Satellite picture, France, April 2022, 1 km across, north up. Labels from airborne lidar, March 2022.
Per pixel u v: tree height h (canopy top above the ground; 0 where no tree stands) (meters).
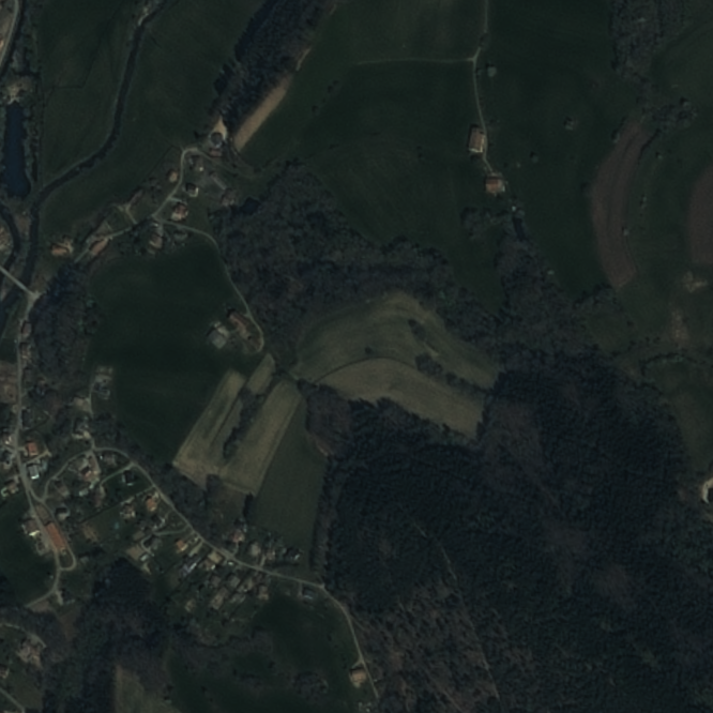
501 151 0
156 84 0
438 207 0
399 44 0
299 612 0
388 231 0
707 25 0
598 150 0
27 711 0
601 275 0
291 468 0
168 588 0
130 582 24
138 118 0
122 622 30
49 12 0
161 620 22
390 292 22
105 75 0
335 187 0
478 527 15
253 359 0
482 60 0
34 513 0
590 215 0
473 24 0
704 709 14
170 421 0
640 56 22
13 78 13
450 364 0
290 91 0
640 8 7
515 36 0
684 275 0
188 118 0
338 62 0
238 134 14
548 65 0
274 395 0
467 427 0
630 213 0
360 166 0
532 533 24
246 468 0
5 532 0
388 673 19
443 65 0
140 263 0
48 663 20
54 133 0
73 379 21
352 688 0
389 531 9
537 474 26
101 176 0
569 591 15
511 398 18
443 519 19
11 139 0
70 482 0
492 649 6
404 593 13
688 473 16
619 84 0
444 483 24
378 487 19
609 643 13
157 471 17
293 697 0
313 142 0
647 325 0
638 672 13
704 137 0
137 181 0
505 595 12
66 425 12
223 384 0
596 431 22
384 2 0
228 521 0
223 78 0
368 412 24
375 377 0
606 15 0
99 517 0
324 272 27
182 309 0
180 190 0
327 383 0
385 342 0
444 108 0
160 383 0
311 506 0
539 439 20
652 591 24
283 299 21
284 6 29
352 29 0
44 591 0
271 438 0
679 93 0
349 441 19
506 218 12
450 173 0
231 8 0
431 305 22
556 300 17
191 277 0
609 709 9
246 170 0
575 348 23
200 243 0
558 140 0
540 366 27
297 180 24
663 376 0
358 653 0
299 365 0
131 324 0
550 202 0
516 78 0
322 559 20
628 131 0
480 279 0
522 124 0
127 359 0
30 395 0
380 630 24
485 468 28
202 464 0
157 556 0
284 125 0
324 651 0
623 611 22
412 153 0
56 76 0
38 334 16
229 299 0
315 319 28
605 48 0
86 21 0
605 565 27
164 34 0
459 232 0
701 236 0
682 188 0
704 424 0
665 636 25
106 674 21
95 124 0
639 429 21
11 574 0
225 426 0
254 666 0
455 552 11
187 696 0
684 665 21
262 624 0
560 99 0
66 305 26
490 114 0
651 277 0
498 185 0
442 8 0
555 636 10
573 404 21
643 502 24
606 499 23
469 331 23
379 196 0
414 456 27
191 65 0
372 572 13
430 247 0
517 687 8
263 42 32
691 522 16
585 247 0
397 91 0
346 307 23
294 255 10
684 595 27
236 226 20
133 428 0
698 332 0
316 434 22
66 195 0
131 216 0
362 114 0
